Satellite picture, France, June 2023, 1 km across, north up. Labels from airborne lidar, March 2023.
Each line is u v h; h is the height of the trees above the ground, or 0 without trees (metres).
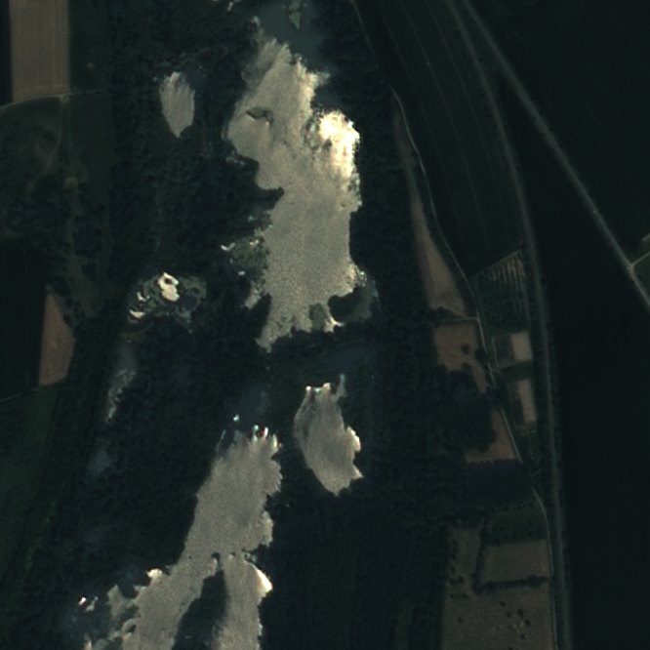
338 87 24
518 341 0
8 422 10
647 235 0
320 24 11
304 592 32
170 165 17
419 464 19
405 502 24
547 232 0
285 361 6
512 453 0
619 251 0
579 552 0
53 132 0
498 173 0
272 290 0
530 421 0
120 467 15
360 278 0
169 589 0
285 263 0
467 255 0
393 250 32
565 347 0
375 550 36
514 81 0
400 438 15
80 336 20
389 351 24
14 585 13
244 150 0
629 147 0
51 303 0
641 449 0
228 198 15
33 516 13
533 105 0
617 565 0
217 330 7
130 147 21
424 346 28
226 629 0
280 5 0
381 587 37
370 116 6
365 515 34
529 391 0
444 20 0
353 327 15
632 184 0
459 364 0
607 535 0
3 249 0
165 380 21
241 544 0
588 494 0
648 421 0
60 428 12
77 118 0
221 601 7
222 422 8
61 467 15
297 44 0
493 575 0
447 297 0
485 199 0
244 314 16
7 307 0
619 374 0
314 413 0
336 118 0
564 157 0
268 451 0
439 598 23
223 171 25
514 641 0
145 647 0
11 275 0
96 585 0
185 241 16
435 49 0
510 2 0
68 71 0
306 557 34
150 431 7
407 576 25
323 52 16
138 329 0
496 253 0
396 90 0
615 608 0
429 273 0
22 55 0
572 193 0
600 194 0
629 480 0
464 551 0
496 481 32
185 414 13
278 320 0
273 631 30
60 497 19
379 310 24
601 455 0
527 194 0
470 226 0
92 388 11
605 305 0
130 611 0
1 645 22
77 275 0
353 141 0
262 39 0
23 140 0
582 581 0
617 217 0
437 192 0
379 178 7
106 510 17
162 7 15
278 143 0
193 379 12
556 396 13
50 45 0
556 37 0
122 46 22
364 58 38
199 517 0
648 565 0
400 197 14
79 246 12
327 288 0
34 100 0
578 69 0
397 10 0
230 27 13
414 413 33
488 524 8
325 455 0
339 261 0
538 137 0
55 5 0
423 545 32
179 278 0
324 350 6
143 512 13
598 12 0
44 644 22
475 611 0
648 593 0
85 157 6
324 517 28
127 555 7
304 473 6
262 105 0
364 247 23
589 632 0
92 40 0
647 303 0
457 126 0
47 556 21
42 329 0
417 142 0
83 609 0
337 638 27
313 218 0
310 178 0
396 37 0
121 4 25
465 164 0
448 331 0
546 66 0
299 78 0
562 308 0
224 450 0
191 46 6
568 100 0
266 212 0
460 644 0
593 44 0
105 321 15
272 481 0
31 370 0
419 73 0
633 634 0
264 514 0
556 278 0
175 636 0
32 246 0
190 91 0
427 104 0
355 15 11
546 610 0
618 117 0
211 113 27
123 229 20
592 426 0
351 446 0
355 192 0
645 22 0
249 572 0
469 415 37
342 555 29
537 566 0
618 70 0
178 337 37
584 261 0
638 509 0
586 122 0
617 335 0
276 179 0
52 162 0
